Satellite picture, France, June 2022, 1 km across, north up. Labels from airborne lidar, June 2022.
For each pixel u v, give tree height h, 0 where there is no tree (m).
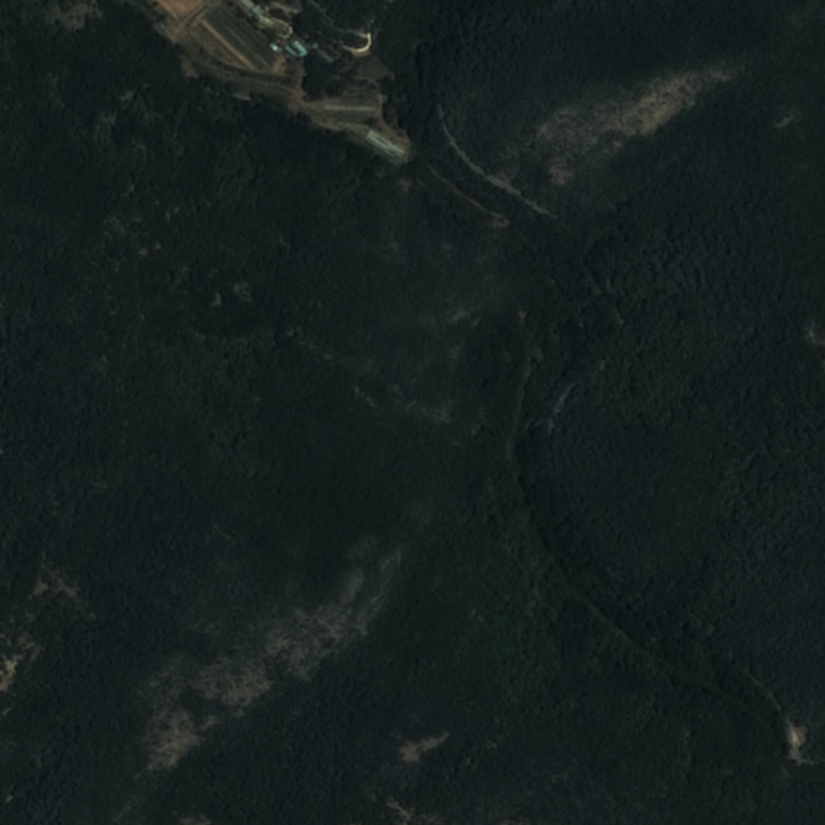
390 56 7
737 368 14
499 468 10
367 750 8
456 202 14
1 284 9
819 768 7
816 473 14
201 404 6
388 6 6
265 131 15
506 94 9
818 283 8
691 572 17
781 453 15
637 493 15
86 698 12
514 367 7
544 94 6
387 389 10
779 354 10
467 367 12
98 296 11
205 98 18
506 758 8
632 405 11
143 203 10
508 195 14
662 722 18
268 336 9
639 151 9
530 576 13
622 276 19
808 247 10
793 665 8
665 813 11
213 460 13
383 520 10
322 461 10
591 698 15
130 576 16
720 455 14
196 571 6
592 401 12
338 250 9
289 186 17
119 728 11
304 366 11
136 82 17
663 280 11
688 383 11
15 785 9
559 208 6
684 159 6
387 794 6
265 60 0
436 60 25
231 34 0
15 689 10
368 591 6
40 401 12
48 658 13
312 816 15
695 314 15
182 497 8
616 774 10
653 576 16
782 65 7
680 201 15
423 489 8
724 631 17
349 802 11
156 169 8
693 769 15
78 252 7
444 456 9
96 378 7
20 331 11
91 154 10
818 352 9
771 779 8
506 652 12
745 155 6
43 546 9
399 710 7
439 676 7
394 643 9
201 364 12
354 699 8
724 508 13
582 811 8
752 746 13
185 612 6
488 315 10
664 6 8
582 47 8
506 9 20
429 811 8
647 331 19
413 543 6
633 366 14
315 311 6
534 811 7
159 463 8
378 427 9
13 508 10
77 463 9
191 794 13
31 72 14
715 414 14
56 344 9
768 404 10
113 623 9
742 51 5
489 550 8
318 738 11
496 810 9
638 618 19
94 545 10
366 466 8
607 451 13
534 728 9
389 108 11
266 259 16
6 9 10
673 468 9
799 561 6
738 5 10
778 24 6
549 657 13
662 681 17
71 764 8
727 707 15
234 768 12
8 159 10
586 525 21
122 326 10
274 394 14
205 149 11
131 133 13
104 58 13
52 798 10
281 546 6
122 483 5
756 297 14
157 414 10
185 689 5
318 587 6
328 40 11
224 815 11
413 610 7
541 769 8
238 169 9
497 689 8
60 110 15
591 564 13
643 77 6
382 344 8
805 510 12
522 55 8
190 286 18
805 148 10
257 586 6
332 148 21
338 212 9
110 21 11
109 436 9
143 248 6
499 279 7
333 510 10
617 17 7
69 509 11
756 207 8
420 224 8
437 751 7
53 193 8
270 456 10
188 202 11
